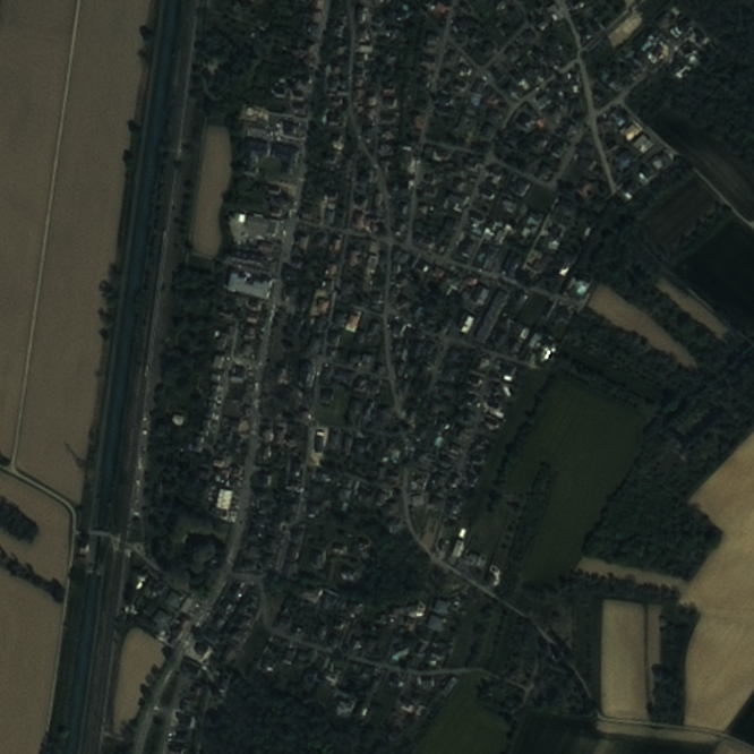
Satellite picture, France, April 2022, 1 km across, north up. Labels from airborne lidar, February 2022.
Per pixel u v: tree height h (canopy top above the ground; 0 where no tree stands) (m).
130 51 0
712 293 0
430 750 0
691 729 0
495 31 0
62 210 0
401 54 5
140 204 0
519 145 11
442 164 6
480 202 0
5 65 0
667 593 12
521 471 0
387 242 0
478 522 0
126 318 0
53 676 0
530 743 0
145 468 0
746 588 0
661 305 9
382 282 11
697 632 0
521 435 8
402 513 0
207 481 8
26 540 24
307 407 11
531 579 0
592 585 11
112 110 0
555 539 0
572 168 0
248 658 0
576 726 0
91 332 0
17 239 0
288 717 22
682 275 14
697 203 0
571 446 0
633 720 0
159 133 0
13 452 0
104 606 0
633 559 8
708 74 11
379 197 0
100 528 0
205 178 0
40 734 0
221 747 18
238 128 14
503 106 8
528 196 0
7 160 0
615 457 0
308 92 0
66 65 0
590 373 9
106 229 0
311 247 0
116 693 0
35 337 0
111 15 0
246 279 0
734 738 0
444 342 0
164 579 13
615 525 10
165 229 0
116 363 0
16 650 0
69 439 0
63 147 0
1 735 0
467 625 0
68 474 0
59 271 0
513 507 7
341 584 0
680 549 16
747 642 0
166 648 0
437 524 0
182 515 27
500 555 0
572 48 7
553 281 13
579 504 0
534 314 0
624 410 0
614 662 0
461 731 0
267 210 0
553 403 0
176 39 0
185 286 9
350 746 23
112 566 0
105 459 0
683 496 7
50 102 0
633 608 0
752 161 15
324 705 0
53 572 0
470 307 0
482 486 0
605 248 9
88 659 0
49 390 0
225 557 12
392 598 28
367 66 0
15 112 0
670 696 11
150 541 8
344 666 10
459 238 0
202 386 0
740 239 0
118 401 0
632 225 20
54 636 0
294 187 0
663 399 0
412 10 7
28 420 0
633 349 6
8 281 0
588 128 6
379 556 20
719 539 20
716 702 0
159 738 0
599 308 0
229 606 0
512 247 9
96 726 0
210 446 0
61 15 0
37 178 0
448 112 11
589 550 12
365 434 9
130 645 0
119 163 0
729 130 12
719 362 22
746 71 20
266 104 0
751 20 20
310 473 7
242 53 25
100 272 0
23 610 0
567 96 12
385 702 0
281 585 8
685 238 7
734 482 0
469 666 7
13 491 0
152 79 0
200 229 0
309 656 6
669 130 0
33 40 0
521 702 17
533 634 16
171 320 0
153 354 0
